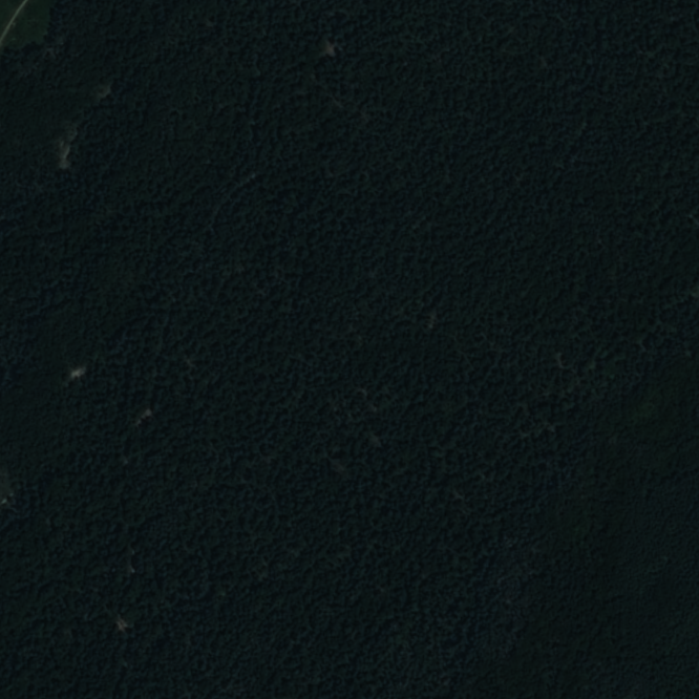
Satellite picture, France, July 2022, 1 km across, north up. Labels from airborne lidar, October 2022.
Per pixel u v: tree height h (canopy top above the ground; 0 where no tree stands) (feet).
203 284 34
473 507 66
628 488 55
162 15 66
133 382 77
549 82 29
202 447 47
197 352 55
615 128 69
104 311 49
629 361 66
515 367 43
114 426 62
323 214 83
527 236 55
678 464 39
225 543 56
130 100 70
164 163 51
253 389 41
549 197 63
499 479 44
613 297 60
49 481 56
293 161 53
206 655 31
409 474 47
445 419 37
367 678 67
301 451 73
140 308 31
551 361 53
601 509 84
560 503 61
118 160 44
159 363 74
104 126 31
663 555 52
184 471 63
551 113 75
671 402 64
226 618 59
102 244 82
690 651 60
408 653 58
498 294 36
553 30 48
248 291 52
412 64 59
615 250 27
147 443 52
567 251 81
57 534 60
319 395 32
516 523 66
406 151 37
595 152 83
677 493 48
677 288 57
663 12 75
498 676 78
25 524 83
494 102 38
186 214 19
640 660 53
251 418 70
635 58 58
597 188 55
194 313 45
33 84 53
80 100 34
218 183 59
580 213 77
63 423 23
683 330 76
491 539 88
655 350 67
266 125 48
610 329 75
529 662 88
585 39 91
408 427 52
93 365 26
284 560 39
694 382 67
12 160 23
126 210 36
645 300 44
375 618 40
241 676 54
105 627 80
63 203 30
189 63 52
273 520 70
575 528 65
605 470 91
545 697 90
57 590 69
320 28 87
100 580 61
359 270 60
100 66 33
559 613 84
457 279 73
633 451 62
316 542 36
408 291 59
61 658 68
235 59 52
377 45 54
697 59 73
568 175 74
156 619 46
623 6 58
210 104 60
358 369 34
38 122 35
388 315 39
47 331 42
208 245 50
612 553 63
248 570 42
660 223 21
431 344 55
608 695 59
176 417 78
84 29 51
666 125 18
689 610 45
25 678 58
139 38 54
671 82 49
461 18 66
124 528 95
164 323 75
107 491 54
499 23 56
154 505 43
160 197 60
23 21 0
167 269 76
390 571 33
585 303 64
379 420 51
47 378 47
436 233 64
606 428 77
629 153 74
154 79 70
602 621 54
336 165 62
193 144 47
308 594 57
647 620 54
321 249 66
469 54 51
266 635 44
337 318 46
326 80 18
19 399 45
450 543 63
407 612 57
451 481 62
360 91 53
